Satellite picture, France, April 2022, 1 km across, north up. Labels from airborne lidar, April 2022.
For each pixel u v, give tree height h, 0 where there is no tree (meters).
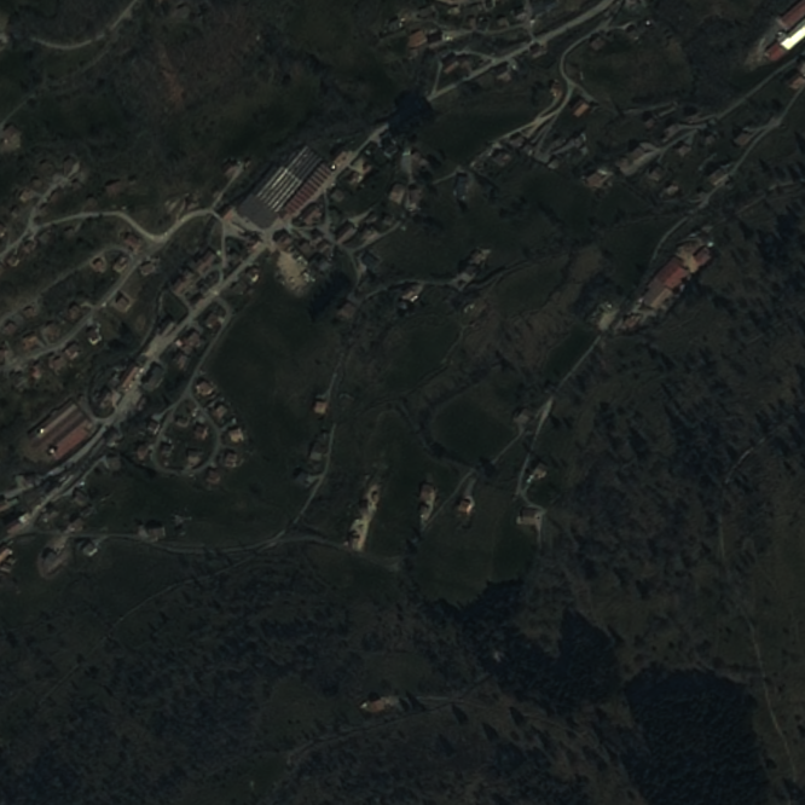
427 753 0
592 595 0
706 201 0
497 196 13
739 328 0
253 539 0
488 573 0
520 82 18
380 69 0
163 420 0
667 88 0
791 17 0
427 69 11
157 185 0
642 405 0
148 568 0
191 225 0
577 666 27
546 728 0
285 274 0
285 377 0
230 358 0
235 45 9
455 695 11
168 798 9
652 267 9
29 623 0
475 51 0
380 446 0
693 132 0
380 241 0
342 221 0
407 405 6
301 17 0
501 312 0
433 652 9
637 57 0
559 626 0
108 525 0
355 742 0
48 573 0
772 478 0
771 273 12
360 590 0
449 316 0
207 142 0
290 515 0
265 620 0
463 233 0
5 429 11
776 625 0
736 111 0
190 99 16
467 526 0
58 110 0
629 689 0
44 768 10
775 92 0
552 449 0
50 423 0
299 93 0
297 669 7
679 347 0
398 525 0
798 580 0
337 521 0
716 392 11
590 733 0
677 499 0
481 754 0
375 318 6
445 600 0
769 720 0
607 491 15
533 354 0
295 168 0
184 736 19
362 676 11
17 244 0
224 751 15
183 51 7
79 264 0
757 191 11
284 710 0
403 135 17
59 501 0
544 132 0
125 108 18
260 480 0
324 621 13
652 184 0
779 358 0
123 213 0
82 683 0
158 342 0
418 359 0
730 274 0
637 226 0
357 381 0
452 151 0
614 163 9
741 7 0
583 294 0
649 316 0
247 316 0
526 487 0
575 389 15
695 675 8
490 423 0
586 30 0
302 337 0
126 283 0
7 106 0
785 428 12
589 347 0
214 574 10
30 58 17
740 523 0
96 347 0
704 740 29
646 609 0
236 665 12
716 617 0
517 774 8
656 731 31
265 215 0
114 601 0
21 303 0
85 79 15
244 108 0
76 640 0
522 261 0
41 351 0
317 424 0
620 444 9
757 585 0
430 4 7
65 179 0
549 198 0
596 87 0
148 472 7
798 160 0
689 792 32
